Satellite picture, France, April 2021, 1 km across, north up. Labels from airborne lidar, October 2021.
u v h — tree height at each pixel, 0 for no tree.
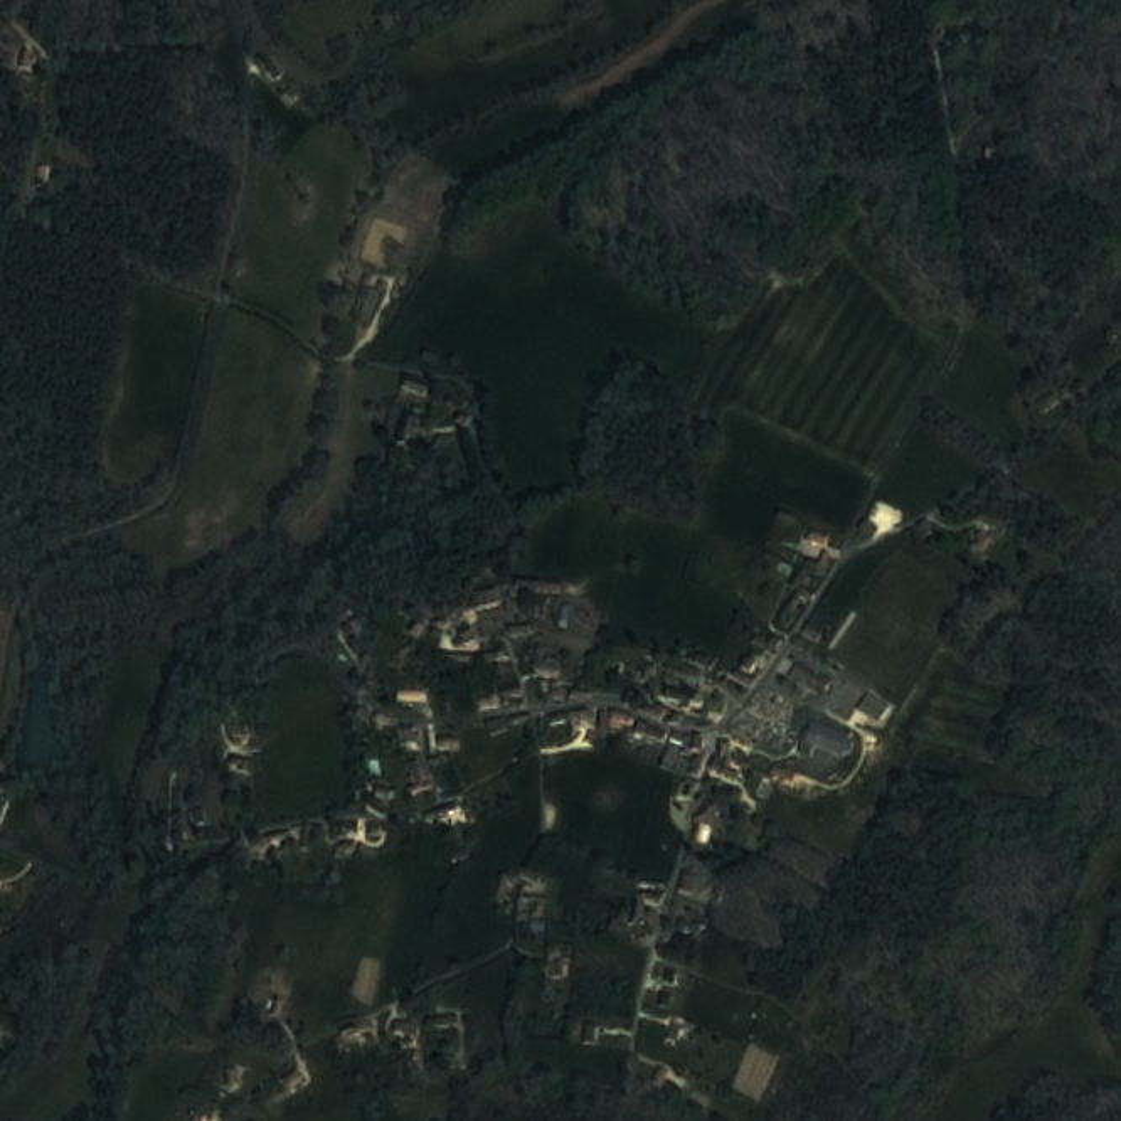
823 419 0
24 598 19
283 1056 16
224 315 0
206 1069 0
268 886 0
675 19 8
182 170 23
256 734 20
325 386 14
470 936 0
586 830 0
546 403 0
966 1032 27
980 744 0
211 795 0
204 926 20
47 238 22
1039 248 24
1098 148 15
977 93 20
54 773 8
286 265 0
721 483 0
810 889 18
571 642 0
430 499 20
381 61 9
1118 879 0
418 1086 14
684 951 10
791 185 20
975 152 0
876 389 0
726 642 0
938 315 8
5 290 21
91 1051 0
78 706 22
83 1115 7
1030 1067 0
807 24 23
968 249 27
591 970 0
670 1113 14
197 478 0
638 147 16
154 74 24
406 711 0
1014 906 17
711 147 18
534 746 9
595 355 0
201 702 26
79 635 10
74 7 18
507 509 20
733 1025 0
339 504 0
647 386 18
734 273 19
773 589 6
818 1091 7
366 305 0
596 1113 16
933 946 24
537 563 0
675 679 6
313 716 0
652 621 0
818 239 15
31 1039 21
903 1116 15
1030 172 26
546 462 0
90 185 15
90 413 21
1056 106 17
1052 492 0
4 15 16
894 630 0
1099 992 12
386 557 24
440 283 0
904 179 19
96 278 24
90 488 19
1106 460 0
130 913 0
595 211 20
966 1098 0
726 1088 7
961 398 0
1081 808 21
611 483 17
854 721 0
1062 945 24
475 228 23
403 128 0
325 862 9
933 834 23
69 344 25
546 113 0
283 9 6
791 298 0
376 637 6
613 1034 7
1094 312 10
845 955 16
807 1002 10
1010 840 20
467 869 0
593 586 0
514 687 0
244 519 0
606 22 13
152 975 23
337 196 0
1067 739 24
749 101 21
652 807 0
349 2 0
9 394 18
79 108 22
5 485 26
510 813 14
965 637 15
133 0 24
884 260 12
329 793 0
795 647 12
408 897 0
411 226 0
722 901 20
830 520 0
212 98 18
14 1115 0
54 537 20
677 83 21
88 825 13
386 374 0
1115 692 29
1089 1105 12
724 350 0
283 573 21
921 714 0
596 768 0
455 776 6
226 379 0
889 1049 14
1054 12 15
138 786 5
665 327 0
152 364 0
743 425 0
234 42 0
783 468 0
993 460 9
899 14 22
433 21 18
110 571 30
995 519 12
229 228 9
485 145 0
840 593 0
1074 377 8
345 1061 8
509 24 0
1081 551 13
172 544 0
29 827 0
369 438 0
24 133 30
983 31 15
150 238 14
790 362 0
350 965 0
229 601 18
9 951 7
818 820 0
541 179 26
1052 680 26
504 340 0
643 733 0
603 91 0
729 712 0
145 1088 0
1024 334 17
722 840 8
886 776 0
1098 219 26
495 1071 22
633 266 19
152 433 0
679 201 24
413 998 12
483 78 0
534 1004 0
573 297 0
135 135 26
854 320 0
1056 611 25
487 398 22
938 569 0
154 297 0
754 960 12
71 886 12
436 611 11
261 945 0
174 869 13
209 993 21
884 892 23
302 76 0
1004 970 17
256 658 17
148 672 0
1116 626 30
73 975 25
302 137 0
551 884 0
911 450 0
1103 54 11
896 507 0
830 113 18
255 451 0
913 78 17
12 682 0
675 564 0
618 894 0
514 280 0
